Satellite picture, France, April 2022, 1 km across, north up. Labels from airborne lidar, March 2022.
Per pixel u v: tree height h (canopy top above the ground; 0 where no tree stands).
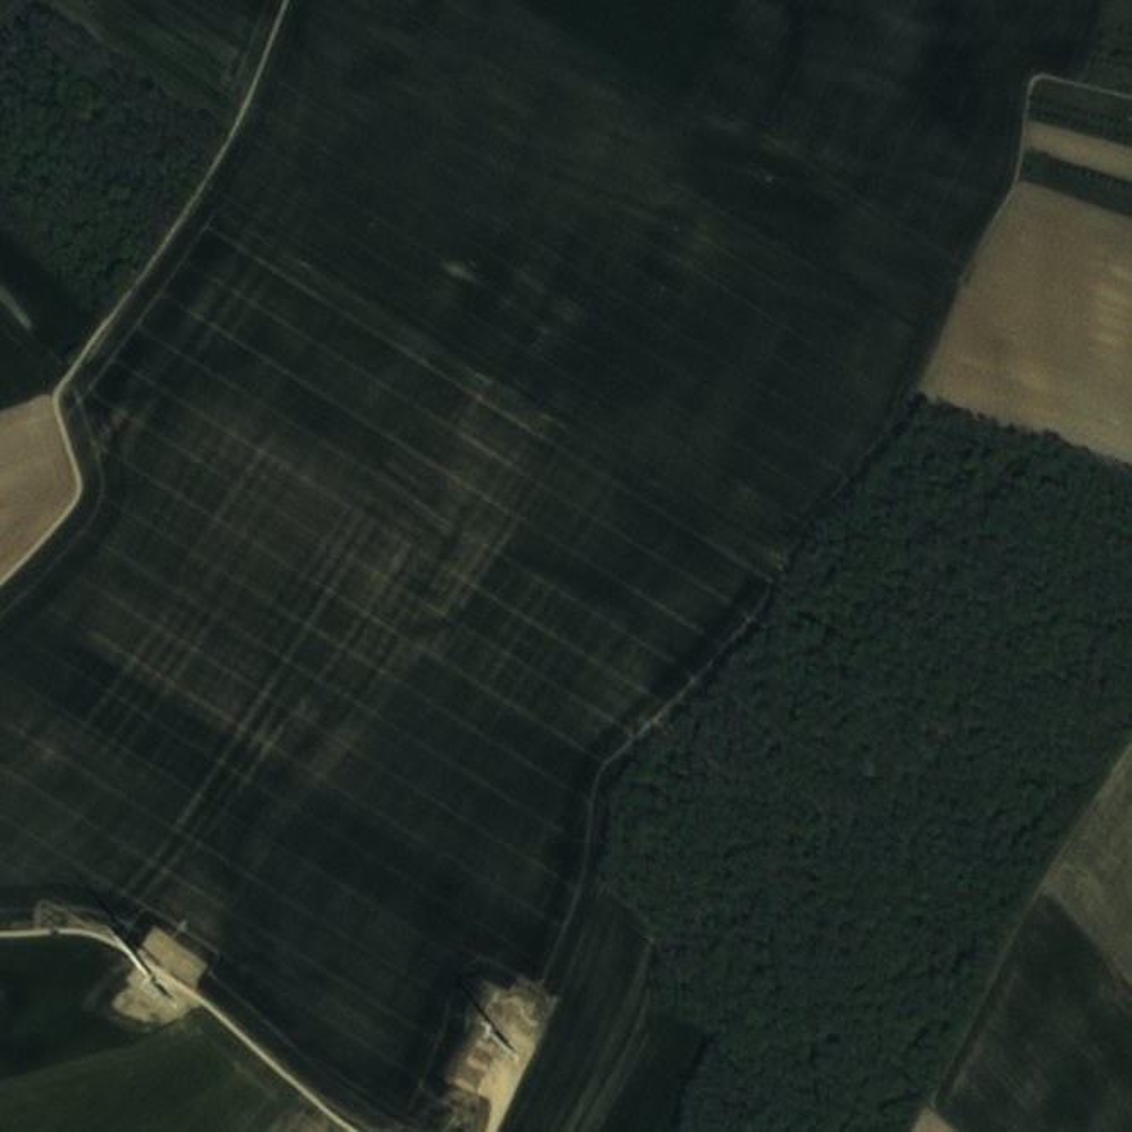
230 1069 0
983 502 20
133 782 0
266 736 0
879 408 0
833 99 0
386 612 0
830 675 23
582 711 0
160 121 19
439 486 0
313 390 0
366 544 0
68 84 24
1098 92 0
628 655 0
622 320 0
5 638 0
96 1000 0
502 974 0
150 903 0
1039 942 0
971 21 0
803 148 0
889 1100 17
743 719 31
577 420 0
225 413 0
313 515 0
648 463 0
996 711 25
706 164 0
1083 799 20
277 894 0
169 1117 0
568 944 0
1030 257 0
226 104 0
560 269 0
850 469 0
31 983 0
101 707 0
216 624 0
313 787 0
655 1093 0
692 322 0
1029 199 0
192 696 0
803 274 0
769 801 22
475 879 0
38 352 0
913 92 0
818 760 23
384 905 0
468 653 0
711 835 25
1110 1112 0
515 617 0
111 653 0
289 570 0
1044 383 0
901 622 24
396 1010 0
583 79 0
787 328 0
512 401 0
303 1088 0
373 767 0
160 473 0
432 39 0
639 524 0
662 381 0
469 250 0
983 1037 0
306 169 0
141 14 0
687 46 0
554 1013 0
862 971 25
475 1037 0
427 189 0
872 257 0
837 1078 17
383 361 0
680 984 24
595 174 0
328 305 0
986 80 0
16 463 0
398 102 0
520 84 0
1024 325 0
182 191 21
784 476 0
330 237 0
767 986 27
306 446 0
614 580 0
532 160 0
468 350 0
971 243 0
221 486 0
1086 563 19
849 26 0
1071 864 0
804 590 23
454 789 0
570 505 0
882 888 24
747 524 0
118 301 11
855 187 0
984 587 22
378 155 0
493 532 0
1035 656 19
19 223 23
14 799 0
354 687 0
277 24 0
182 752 0
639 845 25
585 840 0
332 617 0
